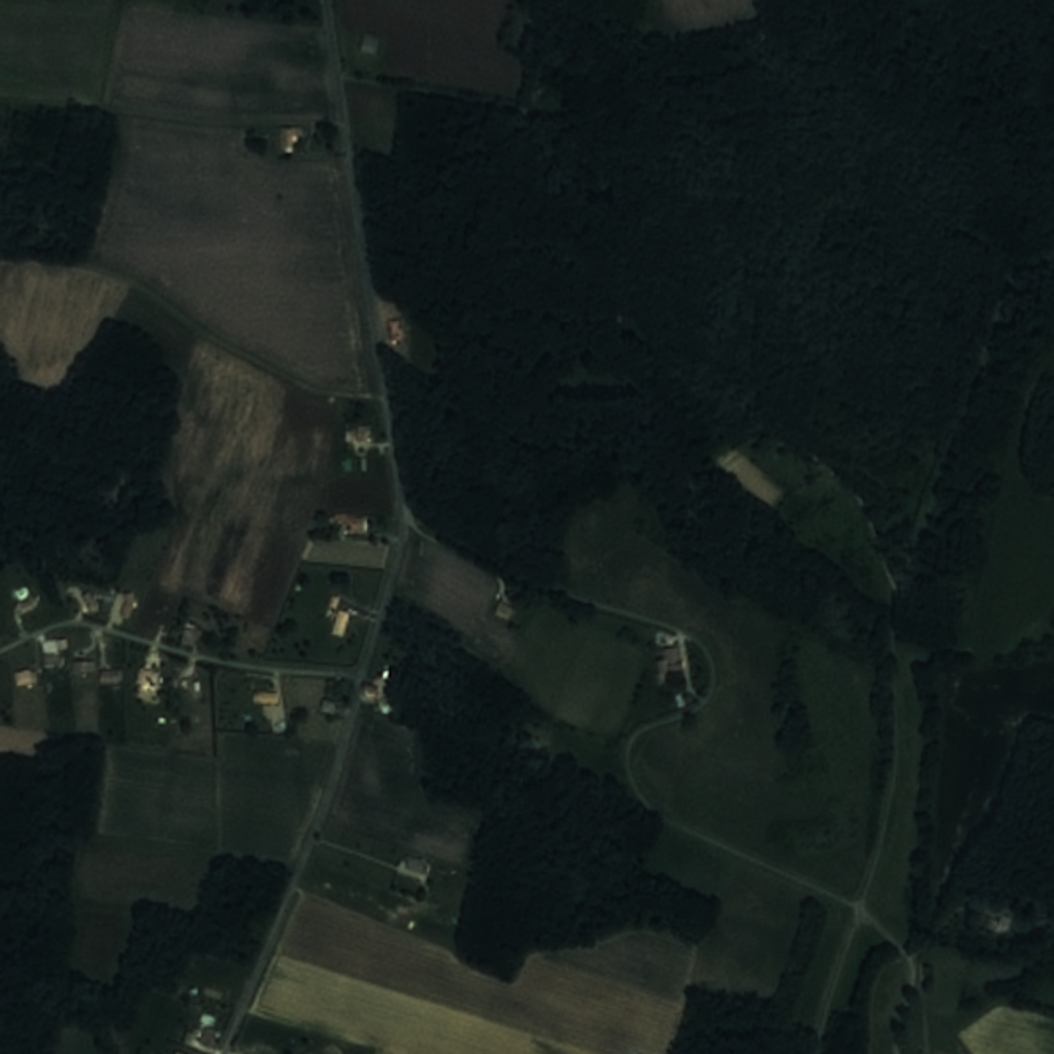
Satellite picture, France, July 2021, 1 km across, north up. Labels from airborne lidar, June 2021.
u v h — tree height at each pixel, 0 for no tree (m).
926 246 22
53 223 16
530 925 19
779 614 13
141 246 0
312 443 0
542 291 22
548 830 12
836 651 9
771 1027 18
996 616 0
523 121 18
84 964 0
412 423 18
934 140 21
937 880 0
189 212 0
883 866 0
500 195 24
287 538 0
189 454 0
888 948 15
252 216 0
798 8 19
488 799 18
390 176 19
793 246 22
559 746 0
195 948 14
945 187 27
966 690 0
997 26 22
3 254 19
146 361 14
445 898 0
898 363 19
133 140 0
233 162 0
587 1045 0
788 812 0
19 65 0
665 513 18
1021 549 0
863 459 10
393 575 0
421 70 0
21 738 0
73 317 0
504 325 28
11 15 0
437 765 14
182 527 0
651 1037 0
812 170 18
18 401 19
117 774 0
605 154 29
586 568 0
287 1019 0
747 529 17
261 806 0
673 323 23
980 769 0
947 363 19
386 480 0
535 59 18
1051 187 23
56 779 20
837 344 19
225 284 0
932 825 11
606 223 29
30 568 9
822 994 0
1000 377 22
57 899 19
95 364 14
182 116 0
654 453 25
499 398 23
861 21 24
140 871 0
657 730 0
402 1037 0
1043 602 0
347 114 0
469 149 10
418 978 0
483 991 0
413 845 0
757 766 0
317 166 0
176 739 0
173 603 0
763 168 17
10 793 18
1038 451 16
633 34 10
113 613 0
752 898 0
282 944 0
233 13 8
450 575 0
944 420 22
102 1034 16
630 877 22
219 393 0
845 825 0
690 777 0
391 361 17
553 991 0
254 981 0
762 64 14
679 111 24
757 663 0
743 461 0
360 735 0
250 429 0
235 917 16
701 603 0
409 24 0
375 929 0
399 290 17
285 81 0
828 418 7
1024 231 21
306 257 0
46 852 20
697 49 13
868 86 16
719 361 22
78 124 16
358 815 0
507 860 15
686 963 0
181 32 0
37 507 21
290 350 0
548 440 23
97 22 0
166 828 0
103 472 19
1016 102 25
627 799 10
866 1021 8
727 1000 22
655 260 21
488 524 15
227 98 0
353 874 0
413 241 21
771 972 0
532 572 23
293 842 0
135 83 0
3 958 22
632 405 24
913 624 18
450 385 19
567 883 21
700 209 16
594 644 0
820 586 20
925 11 20
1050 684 0
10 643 0
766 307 24
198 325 0
